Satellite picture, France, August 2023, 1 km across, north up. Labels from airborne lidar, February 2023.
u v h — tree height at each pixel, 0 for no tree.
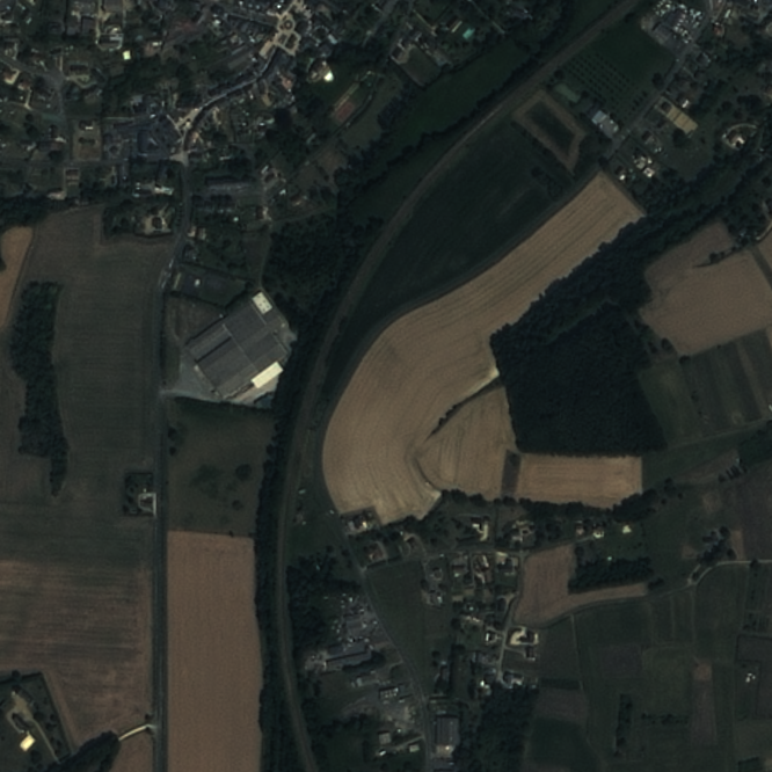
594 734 0
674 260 0
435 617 0
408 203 0
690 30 0
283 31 0
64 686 0
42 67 0
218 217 9
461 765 17
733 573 0
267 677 10
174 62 7
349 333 0
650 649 0
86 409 0
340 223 8
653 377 0
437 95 0
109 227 10
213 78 10
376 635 0
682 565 0
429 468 0
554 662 0
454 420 0
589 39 0
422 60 0
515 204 0
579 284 13
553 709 0
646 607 0
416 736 0
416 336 0
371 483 0
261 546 13
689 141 8
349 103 0
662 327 0
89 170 0
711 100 10
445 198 0
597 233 0
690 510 0
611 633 0
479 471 0
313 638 27
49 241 0
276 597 0
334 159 0
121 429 0
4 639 0
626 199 0
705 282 0
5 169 0
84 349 0
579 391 15
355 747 0
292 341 0
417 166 0
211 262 0
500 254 0
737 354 0
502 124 0
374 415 0
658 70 0
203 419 0
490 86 0
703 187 13
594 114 0
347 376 0
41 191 0
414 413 0
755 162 7
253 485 0
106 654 0
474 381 0
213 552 0
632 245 12
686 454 0
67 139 0
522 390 11
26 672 0
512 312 0
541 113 0
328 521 0
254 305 0
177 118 0
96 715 0
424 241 0
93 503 0
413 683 0
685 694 0
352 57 23
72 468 0
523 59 0
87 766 20
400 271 0
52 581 0
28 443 12
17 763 0
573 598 0
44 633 0
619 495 0
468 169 0
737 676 0
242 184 0
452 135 8
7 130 9
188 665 0
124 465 0
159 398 0
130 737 0
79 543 0
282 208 6
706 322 0
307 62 11
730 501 0
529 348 10
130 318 0
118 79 7
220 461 0
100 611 0
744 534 0
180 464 0
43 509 0
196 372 0
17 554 0
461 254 0
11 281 0
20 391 0
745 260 0
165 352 6
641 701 0
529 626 0
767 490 0
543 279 0
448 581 0
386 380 0
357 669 9
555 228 0
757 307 0
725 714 0
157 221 0
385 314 0
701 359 0
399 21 6
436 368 0
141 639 0
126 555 0
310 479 0
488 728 8
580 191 0
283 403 14
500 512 0
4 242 0
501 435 0
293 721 0
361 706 0
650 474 0
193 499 0
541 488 0
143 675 0
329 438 0
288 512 0
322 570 11
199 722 0
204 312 0
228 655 0
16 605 0
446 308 0
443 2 8
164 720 0
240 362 0
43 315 14
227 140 7
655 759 0
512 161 0
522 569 0
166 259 0
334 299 18
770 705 0
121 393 0
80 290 0
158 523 0
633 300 7
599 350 21
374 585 0
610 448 19
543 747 0
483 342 0
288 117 22
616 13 0
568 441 20
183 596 0
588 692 0
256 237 0
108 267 0
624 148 0
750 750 0
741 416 0
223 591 0
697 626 0
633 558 0
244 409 8
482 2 19
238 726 0
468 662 0
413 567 0
